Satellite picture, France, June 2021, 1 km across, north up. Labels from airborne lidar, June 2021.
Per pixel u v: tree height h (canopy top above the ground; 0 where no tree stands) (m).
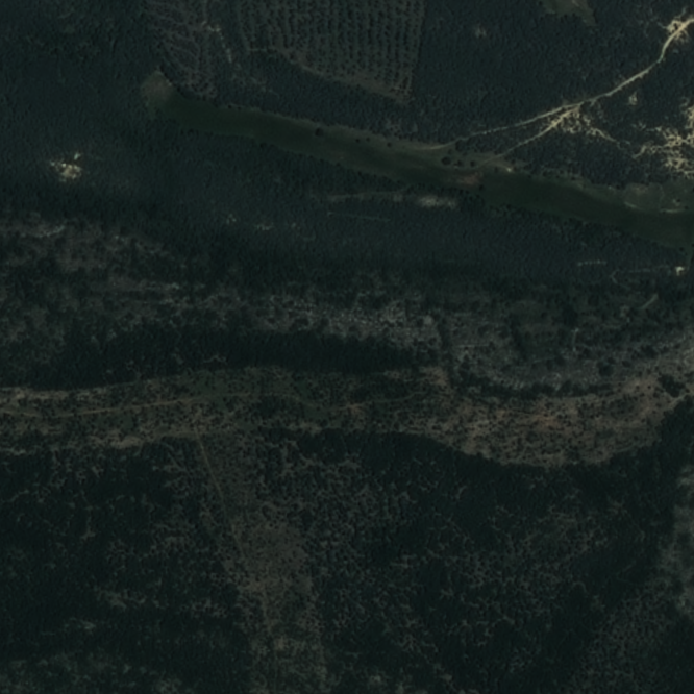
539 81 9
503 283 7
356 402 7
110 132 7
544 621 9
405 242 6
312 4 8
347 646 9
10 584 9
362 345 8
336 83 7
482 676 12
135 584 8
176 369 10
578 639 6
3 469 9
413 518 12
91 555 7
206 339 9
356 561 14
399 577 7
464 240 6
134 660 7
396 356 11
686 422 9
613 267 7
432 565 9
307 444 9
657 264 7
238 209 6
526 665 10
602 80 7
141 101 12
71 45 9
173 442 10
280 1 10
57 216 6
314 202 7
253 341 8
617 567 7
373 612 9
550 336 7
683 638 7
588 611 6
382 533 10
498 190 0
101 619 5
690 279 7
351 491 7
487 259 7
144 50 14
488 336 0
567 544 7
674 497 9
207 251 7
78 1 7
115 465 8
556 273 6
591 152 6
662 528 7
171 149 9
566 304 7
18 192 8
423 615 10
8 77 13
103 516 10
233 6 6
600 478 6
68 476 10
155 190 10
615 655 10
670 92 7
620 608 9
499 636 11
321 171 10
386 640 6
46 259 8
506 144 6
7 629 8
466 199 9
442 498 8
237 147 12
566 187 0
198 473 7
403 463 8
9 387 6
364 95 8
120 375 9
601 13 7
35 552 7
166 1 8
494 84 9
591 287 8
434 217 10
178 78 14
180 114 0
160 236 7
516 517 8
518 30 9
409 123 6
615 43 8
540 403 0
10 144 9
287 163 8
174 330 6
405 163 0
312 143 0
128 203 8
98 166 7
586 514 10
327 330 0
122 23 12
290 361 10
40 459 7
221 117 0
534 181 0
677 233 0
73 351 7
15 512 11
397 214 11
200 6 5
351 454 12
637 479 6
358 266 7
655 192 0
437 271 7
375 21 12
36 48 10
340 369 9
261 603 9
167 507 8
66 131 6
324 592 7
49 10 7
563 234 7
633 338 7
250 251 6
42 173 8
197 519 9
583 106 6
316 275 7
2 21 10
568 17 10
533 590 11
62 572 7
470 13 9
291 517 11
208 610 8
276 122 0
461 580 6
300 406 7
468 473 8
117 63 11
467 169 0
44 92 13
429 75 10
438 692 7
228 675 6
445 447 9
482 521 9
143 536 8
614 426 0
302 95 7
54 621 8
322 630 8
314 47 6
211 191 8
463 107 8
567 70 7
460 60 11
